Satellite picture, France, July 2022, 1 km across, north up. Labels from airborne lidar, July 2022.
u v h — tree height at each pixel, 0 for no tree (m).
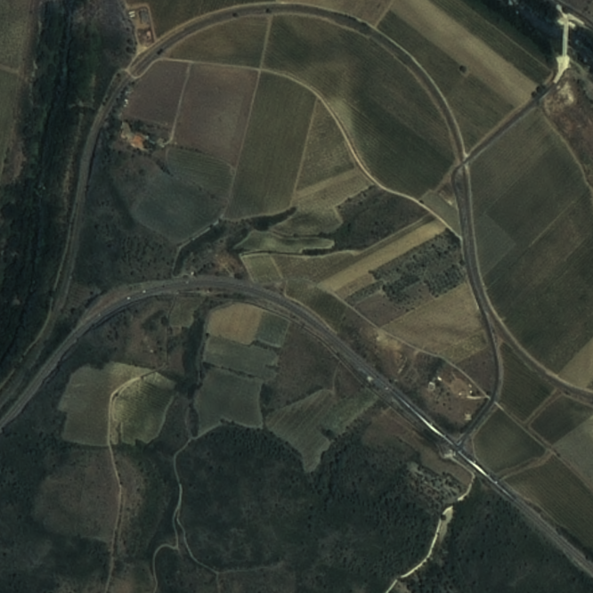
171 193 0
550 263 0
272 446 8
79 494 0
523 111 0
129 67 0
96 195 0
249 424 0
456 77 0
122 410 0
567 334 0
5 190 10
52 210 10
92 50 6
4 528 0
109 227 6
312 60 0
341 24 0
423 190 0
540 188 0
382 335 0
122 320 7
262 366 0
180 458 0
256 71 0
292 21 0
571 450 0
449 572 11
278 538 0
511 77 0
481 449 0
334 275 0
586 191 0
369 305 0
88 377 0
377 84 0
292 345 0
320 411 0
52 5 15
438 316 0
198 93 0
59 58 14
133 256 6
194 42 0
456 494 8
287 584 0
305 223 0
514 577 0
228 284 0
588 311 0
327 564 0
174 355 0
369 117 0
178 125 0
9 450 0
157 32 0
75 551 0
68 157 6
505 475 0
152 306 0
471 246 0
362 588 0
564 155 0
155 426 0
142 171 8
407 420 0
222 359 0
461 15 0
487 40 0
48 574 0
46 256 16
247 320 0
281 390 0
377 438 0
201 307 0
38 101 8
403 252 0
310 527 10
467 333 0
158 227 0
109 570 10
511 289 0
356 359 0
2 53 0
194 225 0
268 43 0
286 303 0
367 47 0
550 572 0
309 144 0
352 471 6
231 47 0
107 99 7
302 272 0
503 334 0
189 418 0
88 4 8
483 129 0
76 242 0
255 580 0
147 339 0
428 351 0
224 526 0
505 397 0
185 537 0
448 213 0
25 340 12
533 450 0
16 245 18
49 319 0
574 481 0
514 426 0
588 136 0
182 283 0
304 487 0
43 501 0
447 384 0
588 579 10
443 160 0
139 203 0
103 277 0
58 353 0
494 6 8
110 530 0
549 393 0
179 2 0
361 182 0
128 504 0
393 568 13
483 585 0
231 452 0
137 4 0
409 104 0
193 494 0
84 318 0
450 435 0
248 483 0
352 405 0
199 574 0
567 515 0
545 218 0
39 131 7
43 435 9
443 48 0
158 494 0
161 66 0
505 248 0
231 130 0
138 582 0
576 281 0
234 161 0
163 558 0
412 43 0
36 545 0
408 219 0
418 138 0
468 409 0
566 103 0
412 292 0
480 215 0
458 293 0
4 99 0
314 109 0
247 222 6
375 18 0
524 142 0
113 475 0
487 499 0
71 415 0
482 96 0
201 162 0
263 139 0
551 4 14
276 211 0
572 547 0
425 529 10
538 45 7
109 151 8
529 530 7
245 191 0
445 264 0
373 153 0
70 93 13
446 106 0
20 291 16
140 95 0
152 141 6
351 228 10
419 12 0
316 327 0
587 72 0
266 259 0
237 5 0
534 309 0
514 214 0
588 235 0
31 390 0
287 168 0
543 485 0
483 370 0
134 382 0
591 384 0
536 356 0
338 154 0
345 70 0
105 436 0
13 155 0
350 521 0
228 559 0
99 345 0
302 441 0
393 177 0
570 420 0
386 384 0
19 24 0
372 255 0
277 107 0
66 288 0
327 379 0
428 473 9
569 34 0
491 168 0
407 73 0
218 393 0
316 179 0
